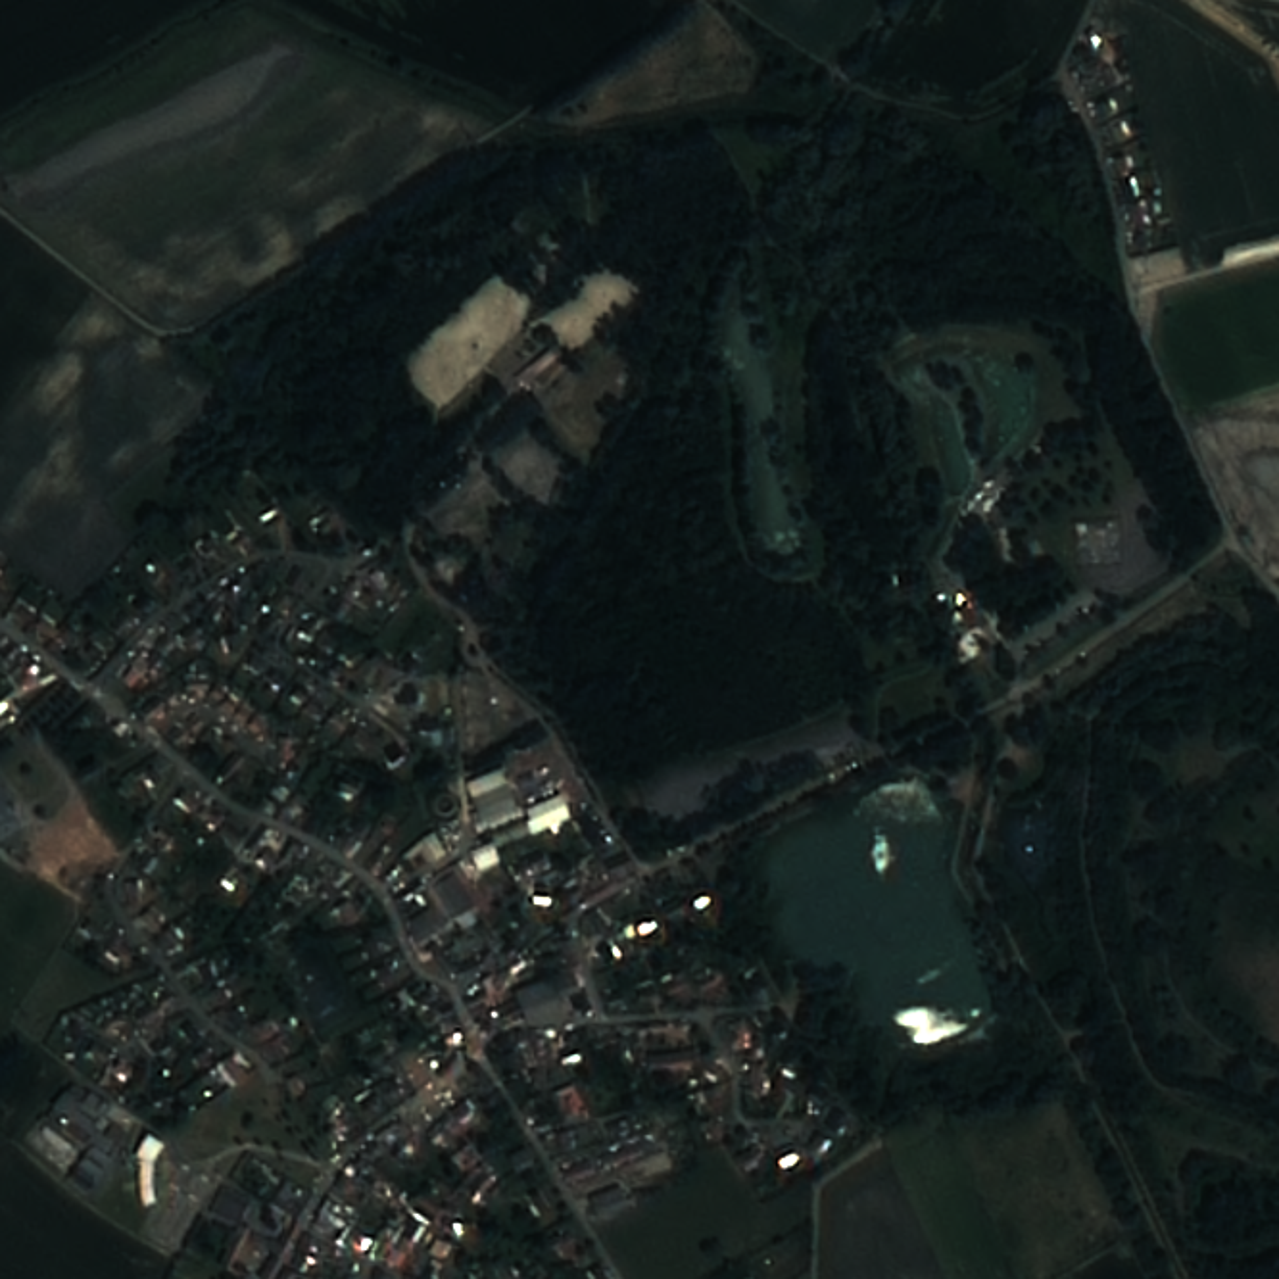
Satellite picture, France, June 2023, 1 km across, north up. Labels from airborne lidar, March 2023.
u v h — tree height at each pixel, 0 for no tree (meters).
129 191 0
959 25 0
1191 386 0
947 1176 0
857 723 15
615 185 26
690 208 20
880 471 12
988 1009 0
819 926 0
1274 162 0
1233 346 0
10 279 0
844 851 0
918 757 19
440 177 17
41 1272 0
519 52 0
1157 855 14
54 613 0
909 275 15
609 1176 0
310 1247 0
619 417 13
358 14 0
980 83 0
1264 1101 11
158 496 0
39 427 0
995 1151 0
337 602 0
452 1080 0
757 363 0
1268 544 0
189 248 0
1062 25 0
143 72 0
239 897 0
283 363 13
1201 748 0
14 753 0
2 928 0
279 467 13
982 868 10
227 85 0
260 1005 0
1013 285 19
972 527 18
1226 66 0
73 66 0
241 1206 0
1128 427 27
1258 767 5
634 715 27
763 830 6
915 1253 0
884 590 18
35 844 0
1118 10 0
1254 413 0
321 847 0
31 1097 0
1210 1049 0
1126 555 0
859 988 0
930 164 13
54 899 0
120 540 0
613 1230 0
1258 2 0
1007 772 10
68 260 0
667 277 15
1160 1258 9
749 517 10
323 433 20
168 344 5
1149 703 7
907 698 0
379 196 0
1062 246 7
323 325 19
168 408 0
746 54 0
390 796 14
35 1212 0
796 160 19
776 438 14
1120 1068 14
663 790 0
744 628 12
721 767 0
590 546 18
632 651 18
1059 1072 11
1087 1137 12
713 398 14
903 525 15
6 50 0
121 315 0
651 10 0
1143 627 0
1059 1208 0
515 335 0
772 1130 0
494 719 0
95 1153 0
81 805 0
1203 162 0
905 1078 6
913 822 0
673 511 15
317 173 0
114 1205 0
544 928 0
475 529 0
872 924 0
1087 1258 0
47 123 0
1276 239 0
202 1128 0
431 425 21
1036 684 0
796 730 0
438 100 0
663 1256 0
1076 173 20
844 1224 0
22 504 0
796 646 7
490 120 0
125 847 0
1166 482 24
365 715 0
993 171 0
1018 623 13
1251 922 0
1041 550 0
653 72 0
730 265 18
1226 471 0
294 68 0
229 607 7
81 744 7
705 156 27
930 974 0
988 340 0
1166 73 0
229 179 0
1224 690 7
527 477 0
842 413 24
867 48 9
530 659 9
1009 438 0
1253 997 0
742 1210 0
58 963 0
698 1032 6
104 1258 0
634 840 8
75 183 0
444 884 0
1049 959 0
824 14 0
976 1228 0
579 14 0
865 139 12
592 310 0
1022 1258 0
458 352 0
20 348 0
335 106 0
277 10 0
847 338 12
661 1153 0
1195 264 0
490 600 29
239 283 0
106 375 0
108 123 0
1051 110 22
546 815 0
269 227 0
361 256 10
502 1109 6
